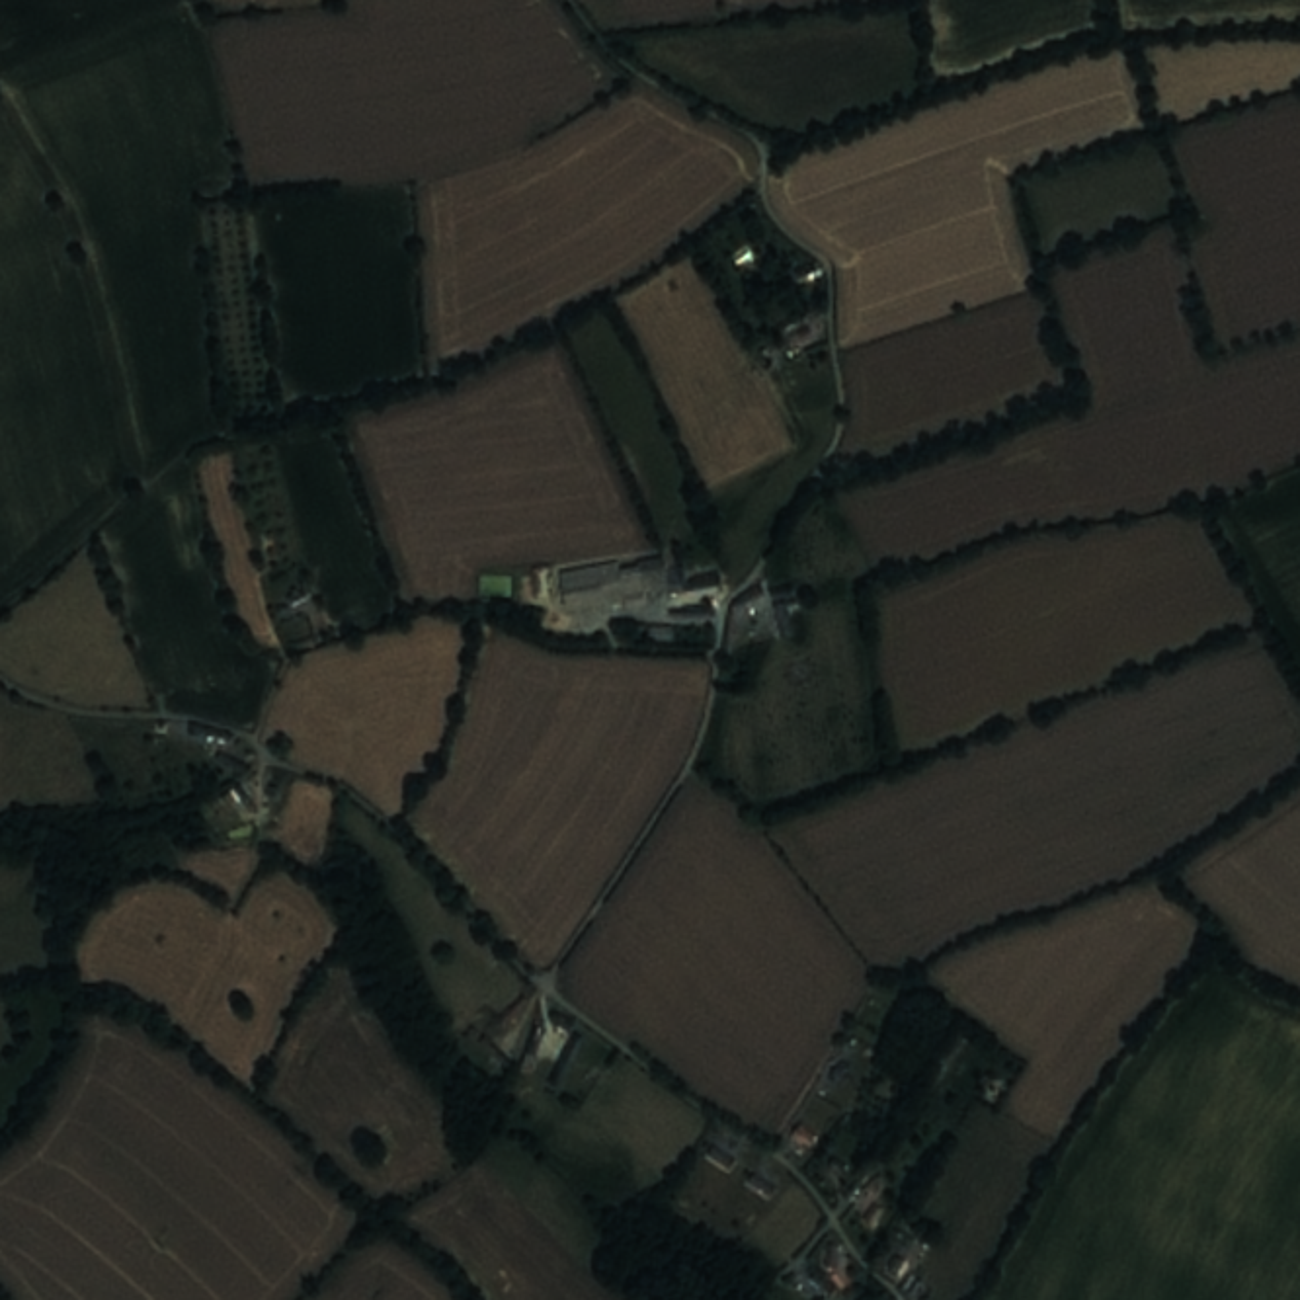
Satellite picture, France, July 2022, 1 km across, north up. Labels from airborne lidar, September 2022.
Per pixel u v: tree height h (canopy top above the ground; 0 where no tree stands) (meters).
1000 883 0
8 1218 0
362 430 0
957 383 0
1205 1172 0
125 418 0
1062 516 0
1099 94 0
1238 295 0
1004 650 0
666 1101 0
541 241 0
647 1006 0
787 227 0
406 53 0
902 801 0
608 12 0
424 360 6
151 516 0
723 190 0
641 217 0
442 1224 0
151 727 0
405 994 9
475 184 0
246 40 0
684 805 0
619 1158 0
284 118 0
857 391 0
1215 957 18
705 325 0
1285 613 0
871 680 0
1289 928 0
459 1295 16
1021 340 0
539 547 0
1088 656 0
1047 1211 0
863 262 0
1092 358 0
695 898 0
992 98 0
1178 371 0
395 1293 0
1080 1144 0
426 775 8
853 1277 7
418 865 10
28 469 0
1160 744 0
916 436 0
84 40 0
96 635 0
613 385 0
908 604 0
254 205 12
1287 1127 0
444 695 0
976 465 0
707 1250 18
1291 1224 0
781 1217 0
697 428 0
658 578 0
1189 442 0
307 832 0
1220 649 13
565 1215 0
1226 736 0
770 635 0
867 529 0
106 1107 0
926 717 0
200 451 9
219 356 16
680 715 0
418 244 14
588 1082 0
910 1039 17
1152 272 0
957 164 0
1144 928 0
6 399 0
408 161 0
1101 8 9
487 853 0
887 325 0
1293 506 0
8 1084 0
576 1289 0
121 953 0
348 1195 13
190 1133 0
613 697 0
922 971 18
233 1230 0
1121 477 0
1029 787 0
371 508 10
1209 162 0
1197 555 0
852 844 0
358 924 13
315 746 0
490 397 0
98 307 0
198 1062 15
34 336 0
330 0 10
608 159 0
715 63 0
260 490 7
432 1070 12
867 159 0
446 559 0
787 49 0
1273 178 0
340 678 0
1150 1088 0
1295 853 0
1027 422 19
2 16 0
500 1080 9
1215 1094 0
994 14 0
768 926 0
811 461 0
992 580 0
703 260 15
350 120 0
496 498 0
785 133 9
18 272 0
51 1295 0
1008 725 15
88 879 13
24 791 0
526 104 0
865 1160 17
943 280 0
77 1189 0
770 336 11
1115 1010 0
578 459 0
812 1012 0
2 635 0
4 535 0
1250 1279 0
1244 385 0
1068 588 0
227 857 0
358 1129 0
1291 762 0
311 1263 0
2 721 0
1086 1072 0
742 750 0
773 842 5
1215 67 0
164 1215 0
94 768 15
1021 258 0
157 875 12
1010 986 0
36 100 0
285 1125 15
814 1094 0
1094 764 0
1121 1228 0
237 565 0
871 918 0
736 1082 0
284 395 13
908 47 0
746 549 0
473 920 7
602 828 0
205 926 0
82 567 0
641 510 11
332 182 9
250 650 6
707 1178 0
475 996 0
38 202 0
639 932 0
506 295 0
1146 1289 0
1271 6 0
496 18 0
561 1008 0
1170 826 0
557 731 0
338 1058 0
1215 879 0
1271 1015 0
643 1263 8
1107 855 0
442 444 0
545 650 8
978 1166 0
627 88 14
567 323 15
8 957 0
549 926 0
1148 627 0
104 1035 0
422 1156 0
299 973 0
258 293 16
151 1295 0
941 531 0
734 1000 0
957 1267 0
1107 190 0
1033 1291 0
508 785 0
